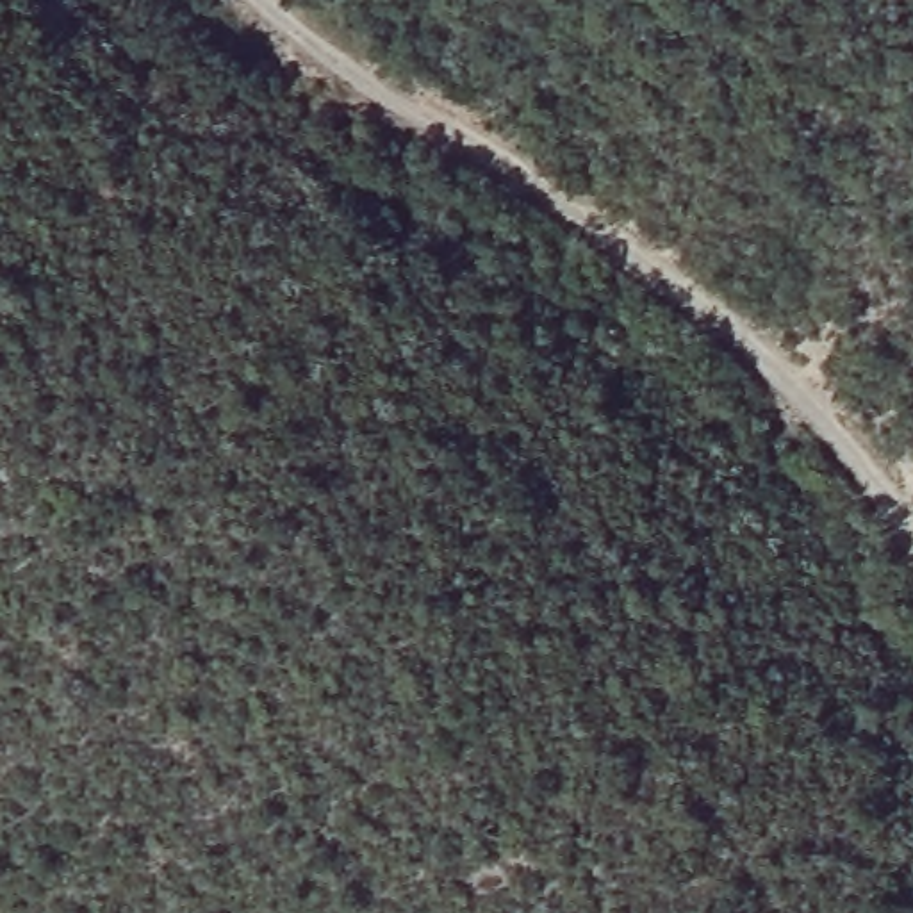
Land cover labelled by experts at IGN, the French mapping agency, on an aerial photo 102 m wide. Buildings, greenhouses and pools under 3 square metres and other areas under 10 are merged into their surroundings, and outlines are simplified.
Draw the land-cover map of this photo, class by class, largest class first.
<instances>
[{"label":"brushwood","instance_id":"1","mask_svg":"<svg viewBox=\"0 0 913 913\"><path fill-rule=\"evenodd\" d=\"M103 0H0V913H913V760H906L902 742L892 731V717L899 699H913V667L884 646V635L870 624H835L831 638H820L810 628V613L827 610V603L810 585H802V560H813L817 567L827 563L824 539H806L799 521L781 514L777 521H760L753 510H728V496L738 492V474H720L717 481L710 460L738 446L731 428L724 421L699 414L688 396L670 399L667 382L656 371H638L628 364L606 367L599 357L603 350L585 353V360H574V339L563 332V325L578 321L585 328H599V314L556 307L546 296L528 292L521 282L492 285L474 267L464 246H457L435 225L414 221L407 200L374 196L357 185L335 182L328 164L317 160V153L296 150L282 136H267L260 125V111L243 107L235 96H225L218 103H196L182 75H168L160 64L150 61H132L125 50L114 46L111 14L100 11ZM307 18V25L328 36L339 50H346L357 61H371L378 68V78H389L403 93H414L421 86L439 89L446 100L474 111L485 132H499L521 153H528L535 168L549 175L563 193L588 196L596 207L610 210L613 221H635L646 243L674 250L681 271H688L703 282V289L717 292L735 310H742L756 328L777 332L781 346L820 339V325L827 321L842 325L824 360V378L835 403L860 414V435L867 439L874 457L913 460V0H289Z\"/></svg>","mask_w":913,"mask_h":913},{"label":"deciduous trees","instance_id":"2","mask_svg":"<svg viewBox=\"0 0 913 913\"><path fill-rule=\"evenodd\" d=\"M239 0H103L100 11L111 14L114 46L125 50L132 61H150L160 64L168 75H182L196 103H218L225 96H235L243 107L260 111V125L267 136H282L296 150L317 153V160L328 164L335 182L357 185L374 196L407 200L414 221L435 225L457 246H464L474 267L492 285L521 282L528 292L546 296L556 307L599 314V328H585L578 321L563 325V332L574 339V360H585V353L603 350L599 357L606 367L628 364L638 371H656L667 382L670 399L688 396L699 414L724 421L731 428L738 446L710 460L717 481L720 474H738V492L728 496V510H753L760 521H777L781 514L799 521L806 539H824L827 563L817 567L813 560H802V585H810L827 603V610L810 613V628L820 638H831L835 624H870L884 635V646L913 667V610L895 606V596L909 592L906 574L899 563L888 560L881 528L860 514L870 499L867 485L860 492H849L845 481L817 474V446L824 439L817 432L810 439H795L788 428L781 432V439L767 435L760 410H767L777 399L774 389L760 392L745 371H738L724 353H717L703 335L674 321L656 303L642 300V292L628 278L606 289V260L592 257L585 243L571 239L546 214L521 203L506 207L503 200H492L489 182L474 171L442 175L439 160L424 157L417 146L378 143L364 121V111L371 103H325L321 111H310L307 93L282 86L278 78L239 75L235 64L207 50V39L218 21H239ZM892 731L902 742L906 760H913V699H899L892 717Z\"/></svg>","mask_w":913,"mask_h":913},{"label":"pervious surface","instance_id":"3","mask_svg":"<svg viewBox=\"0 0 913 913\"><path fill-rule=\"evenodd\" d=\"M239 21H218L207 39V50L235 64L239 75L278 78L282 86L307 93L310 111H321L325 103H371L364 111V121L378 143L417 146L424 157L439 160L442 175L474 171L489 182L492 200H503L506 207L521 203L546 214L571 239L585 243L592 257L606 260V289L628 278L642 292V300L656 303L674 321L703 335L717 353H724L738 371H745L760 392L774 389L777 399L767 410H760L767 435L781 439V432L788 428L795 439H810L817 432L824 439L817 446V474L845 481L849 492H860L867 485L870 499L860 514L881 528L888 560L899 563L906 574L909 592L895 596V606L913 610V460L874 457L867 439L860 435V414L835 403L824 378V360L842 325L827 321L820 325V339L781 346L777 332L756 328L742 310H735L717 292L703 289V282L688 271H681L674 250L646 243L635 221H613L610 210L596 207L588 196L563 193L549 175L535 168L528 153H521L499 132H485L474 111L446 100L439 89L421 86L414 93H403L389 78H378V68L371 61H357L346 50H339L328 36L307 25V18L289 0H239Z\"/></svg>","mask_w":913,"mask_h":913}]
</instances>
